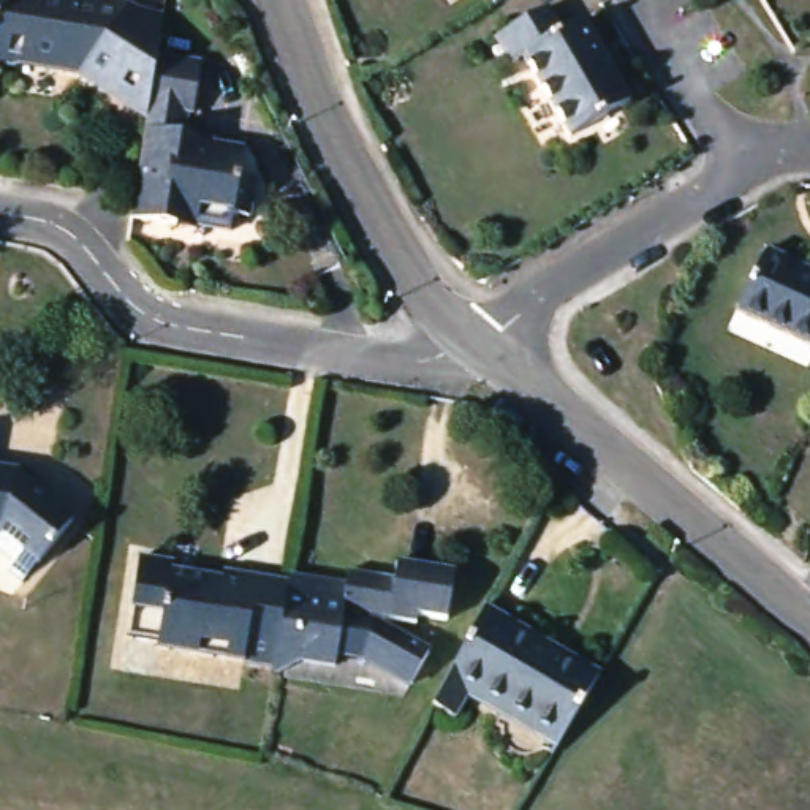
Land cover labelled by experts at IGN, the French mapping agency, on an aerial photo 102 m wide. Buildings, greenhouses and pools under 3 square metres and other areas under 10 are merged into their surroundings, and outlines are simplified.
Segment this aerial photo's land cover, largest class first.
<instances>
[{"label":"herbaceous vegetation","instance_id":"1","mask_svg":"<svg viewBox=\"0 0 810 810\"><path fill-rule=\"evenodd\" d=\"M364 32H386L389 51L380 57L386 70L396 66L408 51L424 47L443 22L452 19L462 28L449 44L437 47L427 60L414 66L411 82L396 85L389 104L402 123L405 146L418 158L440 203L443 218L468 237V250L459 256L475 278L513 272L544 250H557L576 231L592 228L595 218L623 209L630 196L664 187L671 174L687 171L696 161L690 146L671 136V123L649 127L617 114V136L601 142L598 161L589 174H557L554 168H547V146L532 136L522 108H503V76L519 70L513 57L494 54L497 35L509 22L494 0H351ZM487 215L522 218V240L506 247L500 231L484 225ZM721 38L728 32L737 35V44L731 51L740 57L744 70L782 60H785L782 47H778V41H775V32H772V22H769V16H766V9H763V6H756V0H712ZM769 6L775 9V16L782 19L785 32L791 35V41H794L797 47L810 51V0H769ZM22 73L19 66H0V158L22 161L25 155H41L51 168L70 165L73 155L63 146H57L51 133L41 127L44 111L57 95H32L28 89L16 85V76ZM721 101L734 104L750 117H759L766 114L769 98H750L744 82L737 79L718 89ZM101 168L127 174L130 199L136 209L142 193L139 161L117 152L95 155ZM801 184H785L775 193H766L756 203V209L744 218H737L740 199H725L706 212V221L718 231V250L699 269L690 301L680 313H671V323H661L658 316L661 288L687 278V272L674 263V247H664L661 259L639 266L636 282L579 310L566 335L573 364L582 370V377L592 380L645 433H652L661 446L671 449L677 424L668 414V392L658 380L639 370V354L649 345H655V351L664 358L668 373L687 389L690 430L706 459L715 452L718 443H725L740 456V462H747L753 471L766 478L769 462L788 456V449L797 446L804 452V465L788 494V528L775 535L785 547L797 551V557L810 566V364H797L756 342L734 335L731 316L737 310L734 304L744 291L747 272L759 266L763 253L772 244L804 234L794 212ZM715 383H737L747 392L750 414L725 421L709 396ZM244 247L256 259V266H247L240 272V278L247 282H269L288 288L313 269V250H301L291 256H275L259 240ZM70 288L63 285L57 269H51L44 259L32 253L13 250L9 244L0 250V332L32 329L35 310L44 301L57 310L63 307V294ZM44 377L41 405L47 408H60L63 414L57 424V443L47 452L54 462L70 465L92 481L104 475L114 399L117 389H127V380L117 373L114 351L101 345L95 358L66 361L63 354L44 351L41 345L25 358ZM165 392L177 405L180 424L187 430V456H149L139 452V446L130 449L123 459L111 465V500L101 503L95 509V525L104 528V541L85 633V598L79 595V585H89L92 547H85L82 541L66 554L47 560L41 570L44 582L35 592H0V810H377V794L370 788L345 782L339 775L313 772L304 763H294V753H310L326 766H345L373 775L377 782L396 785L402 766L408 763V753L427 728V715L443 706L440 687L449 680V674L459 671L456 658L446 661L433 677L411 683L405 693H377L367 687H335L288 677L282 744L275 756H263V763H250L231 753H209L199 747H180L171 737L127 731L117 725L70 721L63 709L76 683L79 702H85L89 715H114L127 721L196 731L203 737H212L215 744H266L275 715V680L263 683L259 671H244L240 687L228 690L212 683L146 677L111 668L127 544H139L142 554L161 547L168 538L180 532V516L193 513L196 506L203 509L212 528L196 541L177 547L180 554L221 557L225 522L237 497H244L253 487L272 484L275 478L278 446L285 437H291V418L285 414L288 389L278 383L240 377H228L225 383L177 373L165 377ZM430 405L424 402V396L405 392V386H373L370 392H361L354 386L335 399L329 437L339 446L332 452V468L323 471V516L313 551L316 563L323 566L351 570L370 560L396 563L411 551L414 528L424 525L414 509L392 513L383 506V484L389 478V468L396 475L411 471L424 465L421 443ZM446 449L459 459V465L468 468L471 484L481 487V475L490 468L494 456H481L475 446L456 443L449 437ZM652 522L636 503H623V519L614 535L623 538L652 566V573L664 576L623 658L633 671H645V680L636 683L626 696H620L579 740L557 766L535 810H810V677L791 671L785 645L778 649L772 639L759 642L756 633L744 630L747 614H731L725 604H718L712 585H699L687 576H677L668 554L658 551L642 532ZM456 544L462 547V560L452 563V601L440 626L462 639L471 626H478V617L468 614V608L484 595L490 579L497 576L481 528L452 532ZM544 576L535 585H525V598L541 601L551 614L576 617V630L582 636H620L633 611L639 608L649 582L636 579L620 560L611 557L604 560V566L592 573L573 551L544 560ZM525 753L506 731L497 728V721L481 709L478 712L468 731H433L421 763L408 778V794L456 810H516L528 788L525 782H516L509 775L500 753Z\"/></svg>","mask_w":810,"mask_h":810},{"label":"impervious surface","instance_id":"2","mask_svg":"<svg viewBox=\"0 0 810 810\"><path fill-rule=\"evenodd\" d=\"M652 44L671 51L674 92H680L683 101L693 108L690 120L674 123H671V136L690 146L696 161L687 171L671 174L664 187L630 196L623 209L595 218L592 228L576 231L557 250H544L513 272L475 278L459 256H452L440 244L430 221L408 203L389 165L386 142L373 133L367 111L354 92L348 54L342 47L329 0H231L228 16L237 22V28L253 35L259 54L256 66L269 76L272 92L278 95V108L291 117L294 136L304 146L307 174L320 184L313 196L304 193L288 206L307 225L301 250H313L326 247L332 237V225L342 221L358 247V259L373 272L383 323H364L351 304L342 313H329L316 316L307 310H282L193 288H161L133 256V234L180 244H212L231 250V259H244V247L259 240V212H253V221L237 228L203 231L199 225H187L168 212H104L101 193L95 190L63 184L32 187L19 177L0 174V250L9 244L13 250L32 253L44 259L51 269H57L63 285L70 288L63 294V307H89L101 320V345L114 351L120 342H127L130 348L161 345L177 351L288 367L304 373V383L288 389L285 414L291 418V437H285L278 446L275 478L272 484L253 487L244 497H237L225 522L221 557L278 563L285 557V538L307 437V411L316 380L326 373H342L389 386H405V392L424 396V402L430 405L437 399L452 402H465L481 414L500 411L509 424H516L532 440L541 468L551 475V490L560 497H573V503L579 506L573 516L554 519L544 528L532 557H519V579H513V592L516 598H525V585H535L544 576V560L573 551L582 541H598L601 532L614 535L623 519V503H636L652 522H661L677 538V544L690 541L696 551H702L712 563H718V570L728 579L744 585L766 611H772L782 623H788L810 642V566L797 557V551L785 547L775 535L759 528L702 468H696L693 459H677L671 449L661 446L652 433H645L592 380L582 377V370L573 364L566 335L579 310L636 282L639 266L661 259L664 247H674L687 244L693 231H702L706 221V212L725 199H740L737 218H744L756 209V203L766 193H775L785 184H801L794 212L804 234L810 237V117L791 123H769L759 117H750L734 104L721 101L718 89L737 79L744 70L740 57L731 51L737 44V35L728 32L721 38L712 0H630ZM509 22L532 16V9L541 3L560 0H494ZM756 6H763V9H766V16H769V22H772V32H775V41H778V47H782L785 60L791 57V54H794V51H797V47L794 41H791V35L785 32L782 19L775 16V9L769 6V0H756ZM519 70L503 76V108H522L532 136L547 146L551 139L582 142L592 136H598L601 142L617 136V114H614L601 123L579 127L573 133L557 95L551 92L547 79L535 63V54L513 57ZM215 111H240V127L250 133H263L256 98H240L237 85L218 82ZM734 335L756 342L797 364H810V339L785 329L782 323L763 320L753 310H737L731 316ZM0 414H9L13 421V449L41 456L47 452L57 443V424L63 414L60 408H47L41 414L25 418L19 408L0 402ZM22 544L13 535L0 532V592H35L44 582L41 570L22 573ZM142 554L139 544H127L111 668L146 677L212 683L228 690L240 687L244 671H259L263 683L275 680L288 677L335 687H367L377 693H405L411 683L392 671L377 668L361 655L348 661L301 658L269 664L244 655H212L203 649L165 645L158 639L133 636V598ZM497 728L506 731L525 753H544L554 747L541 731L528 728L522 718L509 728L497 721Z\"/></svg>","mask_w":810,"mask_h":810},{"label":"building","instance_id":"3","mask_svg":"<svg viewBox=\"0 0 810 810\"><path fill-rule=\"evenodd\" d=\"M19 66L22 73L16 76V85L28 89L32 95H63L70 85H92L104 92L114 108L136 111L142 117L139 161L142 193L136 209V212H168L187 225H199L203 231L237 228L253 221V212H259V206L272 203L288 206L304 193L294 180L291 149L263 133H250L240 127V111H215L218 82L237 85L240 73L218 51L209 47V38L177 9V0H0V66ZM494 54L513 57L535 54V63L547 79L551 92L557 95L573 133L579 127L601 123L614 114L608 101L626 98L645 101L658 114H671L674 123L690 120L693 108L683 101L680 92H674L671 51L652 44L630 0H560L541 3L532 9V16L509 22L497 35ZM737 310H753L763 320L782 323L785 329L810 339V237L804 234L772 244L763 253L759 266L747 272L744 291L734 304ZM313 269L323 272L342 275V256L326 247L313 250ZM13 421L9 414H0V532L13 535L22 544V573L41 570L47 560L66 554L82 541L95 525V509L101 503L92 494V481L70 465L54 462L47 452L41 456L13 449ZM452 563L440 560L433 551L430 557H418L411 551L396 563L370 560L351 570L323 566L320 573H304L301 566L282 570L278 563L221 557L180 554L177 547H161L142 554L133 598V636L158 639L165 645L203 649L212 655H244L269 664L301 658L348 661L361 655L377 668L392 671L411 683L433 677L446 661L456 658L459 671L449 674V680L440 687L443 706L456 715L478 712L481 709L497 721L509 728L522 718L528 728L541 731L554 747L563 734L579 740L620 696H626L636 683L645 680V671H633L623 658L598 661L592 652H585L582 636L576 630V617L551 614L541 601L525 598H516L513 592L500 595L478 617V626H471L462 639L440 626L452 601Z\"/></svg>","mask_w":810,"mask_h":810},{"label":"brushwood","instance_id":"4","mask_svg":"<svg viewBox=\"0 0 810 810\"><path fill-rule=\"evenodd\" d=\"M231 0H177V9L209 38V47L218 51L240 73L237 85L240 98H256L263 133L291 149L294 180L304 193L313 196L320 184L307 174L304 146L294 136L291 117L278 108V95L272 92L269 76L256 66L259 54L253 35L237 28V22L228 16ZM342 47L348 54L354 92L367 111L373 133L386 142L389 165L408 203L430 221L440 244L452 256H459L468 250V237L443 218L440 203L418 158L405 146L402 123L389 104L396 85L411 82L414 66L427 60L437 47L449 44L462 28L452 19L443 22L424 47L408 51L396 66L386 70L380 57L389 51L386 32H364L351 0H329ZM737 79L744 82L750 98H769L794 79V73L782 60L744 70ZM41 127L51 133L57 146H63L73 155L70 165L51 168L41 155H25L22 161L0 158V174L19 177L32 187L63 184L95 190L101 193L104 212H136V209L130 199L127 174L101 168L95 155L117 152L139 161L142 117L136 111L114 108L104 92L92 85H70L63 95H57L44 111ZM614 114H617L649 127L671 123H674L671 114H658L645 101L626 98L608 101ZM601 142L598 136H592L582 142L551 139L547 146V168H554L557 174H589L598 161ZM259 240L275 256H291L301 250L307 225L288 206L272 203L259 206ZM484 225L500 231L506 247L522 240V218L487 215ZM342 256V275L351 304L364 323H383L373 272L358 259V247L342 221L332 225V237L326 247ZM718 250V231L706 221L702 231H693L687 244L674 247V263L687 272V278L661 288L658 316L661 323H671V313H680L690 301L699 269ZM133 256L161 288H193L282 310H307L316 316L329 313L326 291L320 285L323 272L313 269L288 288L269 282H247L240 278V272L247 266H256V259L244 247V259H231V250L212 244H180L133 234ZM117 373L127 380V389H117L114 399L104 475L92 481V494L101 503L111 500V465L123 459L130 449L139 446V452L149 456H187V430L180 424L177 405L165 392V377L177 373L225 383L228 377H240L278 383L288 389L304 383V373L288 367L177 351L161 345L130 348L127 342H120L114 351ZM639 370L658 380L668 392V414L677 424L671 449L677 459H693L696 468H702L759 528L775 535L788 528V494L804 465V452L797 446L788 449V456L769 462L766 478L753 471L747 462H740V456L725 443H718L715 452L706 459L690 430L687 389L668 373L664 358L655 351V345H649L639 354ZM354 386L361 392H370L373 386H389L342 373H326L316 380L307 411V437L285 538V557L278 563L282 570L301 566L304 573H320L323 566L316 563L313 551L323 516V471L332 468V452L339 446L329 437L335 399ZM709 396L725 421L750 414L747 392L737 383H715ZM449 437L456 443L475 446L481 456H494L490 468L481 475V487L497 500L490 528H481L497 576L490 579L484 595L468 608V614L478 617L500 595L513 592V579H519V557H532L544 528L554 519L573 516L579 506L573 503V497H560L551 490V475L541 468L532 440L516 424H509L500 411L481 414L465 402H452ZM383 506L392 513L414 509H421V503L411 487V471L396 475L389 468V478L383 484ZM212 528L203 509L196 506L193 513L180 516V532L168 538L161 547H177L196 541ZM642 532L658 551L668 554L677 576H687L699 585H712L718 604H725L731 614H747L744 630L756 633L759 642L772 639L778 649L785 645L791 671L810 677V642L788 623H782L772 611H766L744 585L728 579L718 570V563H712L702 551H696L690 541L677 544V538L661 522H652ZM104 541V528L95 525L82 541L85 547H92L89 585H79V595L85 598V633ZM433 551L440 560L452 563L462 560V547L456 544L452 532H433ZM573 551L592 573L604 566V560L611 557L620 560L636 579L649 582L639 608L633 611L620 636H582L585 652H592L598 661L623 658L664 576L652 573V566L623 538L614 535L601 532L598 541H582ZM288 677L275 680V715L266 744H215L212 737H203L196 731L127 721L114 715H89L85 702H79L76 683L63 709L70 721L117 725L127 731L171 737L180 747H199L209 753H231L250 763H263V756H275L282 744ZM478 712L456 715L443 706L427 715V728L408 753V763L402 766L396 785L377 782L373 775L345 766H326L310 753H294V763H304L313 772L339 775L345 782L370 788L377 794V810H456L408 794V778L421 763L433 731H468ZM579 740L563 734L554 747L544 753H500L509 775L516 782H525L528 788L516 810H535L557 766Z\"/></svg>","mask_w":810,"mask_h":810},{"label":"pervious surface","instance_id":"5","mask_svg":"<svg viewBox=\"0 0 810 810\"><path fill-rule=\"evenodd\" d=\"M794 73V79L769 98L766 114L759 117L769 123H791L810 117V51L797 47V51H794V54H791V57L785 60H782ZM320 285L326 291L329 313H342L351 304L342 275L323 272ZM452 402L437 399L430 405L421 443L424 465L411 471V487L421 503V509H414L424 525L414 528L411 551L418 557H430L433 551V532H452L481 528H490L497 500L481 487L471 484L468 468L459 465V459L446 449L449 437Z\"/></svg>","mask_w":810,"mask_h":810},{"label":"deciduous trees","instance_id":"6","mask_svg":"<svg viewBox=\"0 0 810 810\"><path fill-rule=\"evenodd\" d=\"M41 345L44 351L63 354L66 361L95 358L101 345V320L89 307H63L57 310L44 301L35 310L32 329L0 332V402L19 408L25 418L41 414L47 408L41 405L44 377L25 358Z\"/></svg>","mask_w":810,"mask_h":810}]
</instances>
